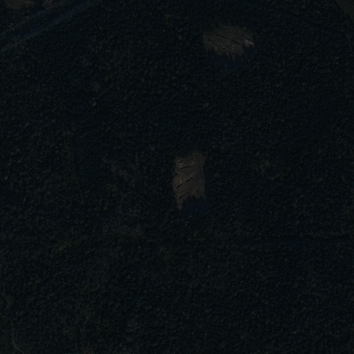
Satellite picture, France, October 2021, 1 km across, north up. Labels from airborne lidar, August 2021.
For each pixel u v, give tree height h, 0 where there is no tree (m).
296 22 29
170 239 8
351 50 23
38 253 19
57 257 7
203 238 16
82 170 24
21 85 8
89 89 21
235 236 10
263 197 29
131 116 12
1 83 8
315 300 23
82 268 18
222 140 25
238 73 20
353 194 21
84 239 8
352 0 7
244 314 9
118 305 13
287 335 18
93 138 28
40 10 8
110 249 14
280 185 25
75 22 27
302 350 27
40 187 14
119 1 22
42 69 18
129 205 12
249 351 12
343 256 25
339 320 28
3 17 15
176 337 17
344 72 28
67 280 12
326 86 25
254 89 15
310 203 27
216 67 19
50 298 13
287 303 20
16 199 17
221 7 28
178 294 16
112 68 15
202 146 24
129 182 20
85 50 24
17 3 0
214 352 10
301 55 13
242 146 13
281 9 21
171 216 14
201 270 18
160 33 16
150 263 24
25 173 22
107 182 22
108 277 14
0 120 11
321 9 6
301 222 31
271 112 22
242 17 31
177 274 7
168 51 16
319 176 22
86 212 10
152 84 21
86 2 30
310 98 24
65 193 18
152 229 21
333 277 27
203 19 26
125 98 18
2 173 6
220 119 21
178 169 0
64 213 24
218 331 19
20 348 7
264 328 18
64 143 14
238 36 0
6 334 7
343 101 27
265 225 22
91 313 6
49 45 30
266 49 13
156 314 20
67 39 31
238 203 24
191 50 13
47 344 9
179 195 0
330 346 18
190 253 13
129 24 24
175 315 14
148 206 13
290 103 20
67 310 8
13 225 14
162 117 16
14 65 12
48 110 14
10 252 9
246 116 19
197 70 29
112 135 12
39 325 12
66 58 26
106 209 16
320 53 23
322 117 30
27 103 8
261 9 25
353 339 20
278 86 18
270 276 22
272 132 20
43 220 13
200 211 29
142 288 10
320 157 22
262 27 24
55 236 17
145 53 19
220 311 23
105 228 25
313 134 28
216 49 0
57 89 10
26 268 14
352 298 24
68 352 11
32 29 10
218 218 15
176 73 21
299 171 28
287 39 27
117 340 6
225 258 14
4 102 11
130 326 22
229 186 22
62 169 18
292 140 21
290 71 12
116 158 26
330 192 18
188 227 25
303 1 24
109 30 9
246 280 11
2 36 19
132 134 21
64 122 7
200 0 25
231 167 24
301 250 31
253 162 18
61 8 11
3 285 17
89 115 26
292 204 21
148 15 5
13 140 14
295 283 27
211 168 23
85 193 22
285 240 12
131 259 16
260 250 20
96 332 8
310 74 22
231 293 25
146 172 8
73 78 24
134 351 23
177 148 23
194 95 28
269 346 16
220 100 18
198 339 17
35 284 15
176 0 27
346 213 21
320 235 12
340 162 8
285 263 29
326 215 16
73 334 10
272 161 25
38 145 13
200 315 12
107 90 15
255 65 22
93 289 19
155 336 7
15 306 0
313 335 22
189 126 31
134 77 9
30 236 22
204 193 0
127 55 15
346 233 7
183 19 26
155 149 16
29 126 10
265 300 19
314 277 19
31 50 23
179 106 29
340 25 18
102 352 11
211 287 17
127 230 22
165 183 21
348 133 25
